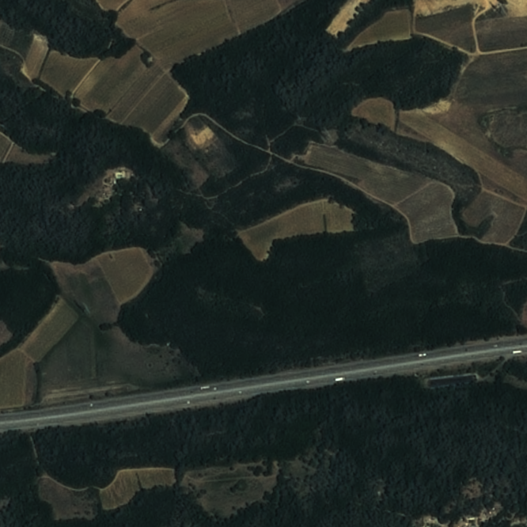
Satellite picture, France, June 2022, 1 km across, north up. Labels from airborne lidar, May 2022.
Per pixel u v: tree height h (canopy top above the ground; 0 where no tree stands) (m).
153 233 7
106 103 0
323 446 14
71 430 8
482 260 9
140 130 16
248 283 7
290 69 10
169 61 0
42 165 14
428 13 0
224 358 10
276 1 0
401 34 0
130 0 0
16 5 9
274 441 19
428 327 9
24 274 7
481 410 10
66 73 0
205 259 9
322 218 0
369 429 13
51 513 9
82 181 10
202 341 8
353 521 17
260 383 0
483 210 0
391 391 8
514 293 8
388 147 0
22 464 7
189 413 8
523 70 0
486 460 14
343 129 6
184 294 5
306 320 8
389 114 0
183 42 0
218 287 10
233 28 0
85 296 0
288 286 8
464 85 0
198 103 8
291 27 10
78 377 0
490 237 0
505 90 0
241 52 9
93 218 14
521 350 0
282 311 8
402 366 0
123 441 14
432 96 19
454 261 10
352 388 15
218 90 7
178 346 10
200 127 0
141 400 0
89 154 17
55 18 14
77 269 0
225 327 7
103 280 0
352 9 0
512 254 7
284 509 12
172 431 16
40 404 0
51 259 13
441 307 10
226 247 8
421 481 20
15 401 0
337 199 7
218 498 0
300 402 11
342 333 9
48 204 17
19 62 0
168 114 0
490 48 0
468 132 0
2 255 8
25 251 15
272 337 7
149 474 0
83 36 8
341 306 8
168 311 8
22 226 16
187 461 15
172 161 5
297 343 6
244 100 7
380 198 0
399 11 0
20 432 8
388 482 11
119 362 0
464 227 10
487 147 0
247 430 17
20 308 6
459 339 9
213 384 0
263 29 11
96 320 0
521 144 0
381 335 6
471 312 10
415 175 0
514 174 0
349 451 16
